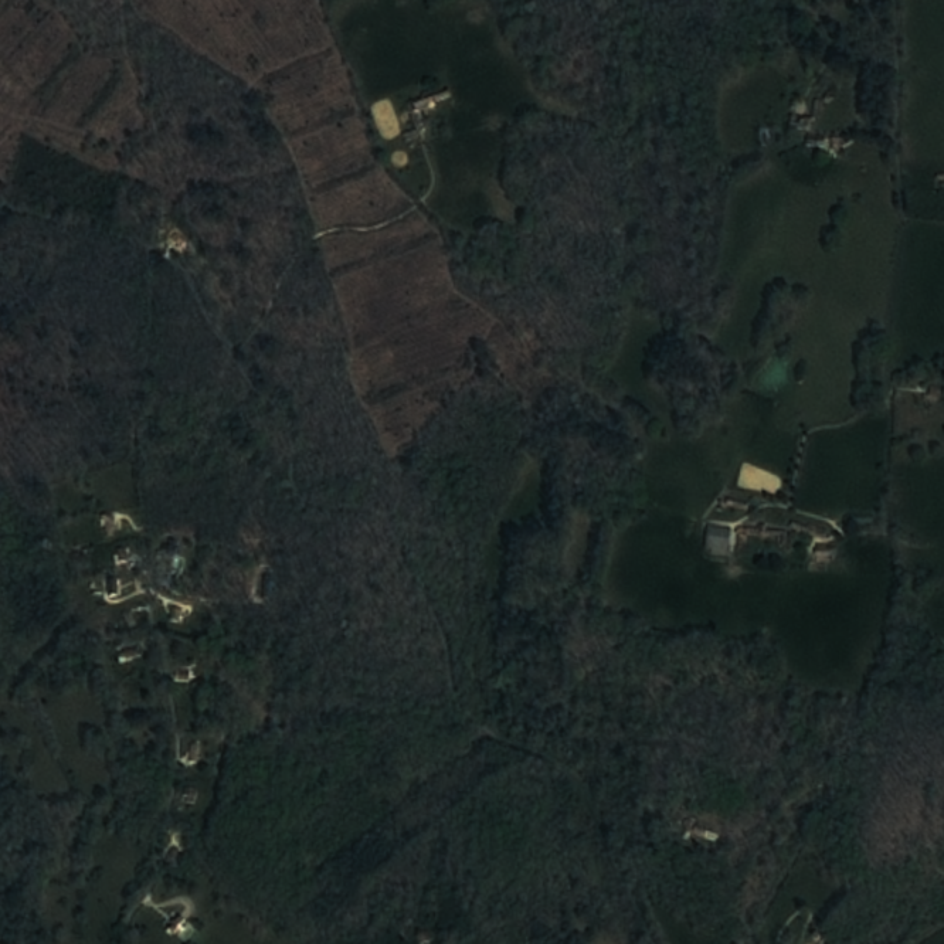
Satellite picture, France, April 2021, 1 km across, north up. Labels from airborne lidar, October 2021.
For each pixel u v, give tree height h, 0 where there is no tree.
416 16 0
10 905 20
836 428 0
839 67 23
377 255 8
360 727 22
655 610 0
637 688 21
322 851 18
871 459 0
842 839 25
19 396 8
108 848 0
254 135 19
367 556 14
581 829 12
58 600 22
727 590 0
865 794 21
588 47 16
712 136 22
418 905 6
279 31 0
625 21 17
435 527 20
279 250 21
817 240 0
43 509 21
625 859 23
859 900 19
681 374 27
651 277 15
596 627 21
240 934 0
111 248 18
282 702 26
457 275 17
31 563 27
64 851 16
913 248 0
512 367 7
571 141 17
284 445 22
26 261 17
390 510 19
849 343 0
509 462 24
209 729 18
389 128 0
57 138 0
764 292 0
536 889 27
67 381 7
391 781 24
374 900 15
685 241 14
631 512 17
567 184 22
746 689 19
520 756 16
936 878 22
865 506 0
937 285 0
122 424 11
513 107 0
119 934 6
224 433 23
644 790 13
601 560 23
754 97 0
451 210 0
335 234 6
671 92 23
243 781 22
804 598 0
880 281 0
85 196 15
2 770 8
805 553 8
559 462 25
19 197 11
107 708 18
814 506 0
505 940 12
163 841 19
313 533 18
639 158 23
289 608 25
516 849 22
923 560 0
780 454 0
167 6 0
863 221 0
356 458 21
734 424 0
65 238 20
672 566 0
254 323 15
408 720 26
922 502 0
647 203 14
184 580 9
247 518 22
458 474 18
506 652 19
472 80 0
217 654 28
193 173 14
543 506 0
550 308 22
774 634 0
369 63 0
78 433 12
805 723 11
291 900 19
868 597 0
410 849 20
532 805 23
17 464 17
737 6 26
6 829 22
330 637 25
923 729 24
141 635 16
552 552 25
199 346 14
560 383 25
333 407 19
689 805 15
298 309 14
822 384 0
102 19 15
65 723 0
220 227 23
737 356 0
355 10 0
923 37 0
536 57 16
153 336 17
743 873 24
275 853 20
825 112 0
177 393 21
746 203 0
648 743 11
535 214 18
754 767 21
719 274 16
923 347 0
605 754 17
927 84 0
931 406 8
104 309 18
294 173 7
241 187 15
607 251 20
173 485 17
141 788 23
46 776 0
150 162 13
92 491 9
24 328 24
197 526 17
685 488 0
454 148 0
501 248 23
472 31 0
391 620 23
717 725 18
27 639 27
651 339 0
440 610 22
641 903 19
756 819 14
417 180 0
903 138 7
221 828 22
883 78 22
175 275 19
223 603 22
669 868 22
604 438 25
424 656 15
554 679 12
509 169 17
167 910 0
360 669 21
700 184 22
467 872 19
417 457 19
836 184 0
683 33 22
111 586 0
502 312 17
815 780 18
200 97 14
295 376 22
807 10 11
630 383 0
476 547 26
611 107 15
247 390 20
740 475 0
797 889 0
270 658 13
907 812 20
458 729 24
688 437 17
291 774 26
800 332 0
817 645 0
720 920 19
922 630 15
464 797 16
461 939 9
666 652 24
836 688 0
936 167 0
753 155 0
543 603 17
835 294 0
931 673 24
